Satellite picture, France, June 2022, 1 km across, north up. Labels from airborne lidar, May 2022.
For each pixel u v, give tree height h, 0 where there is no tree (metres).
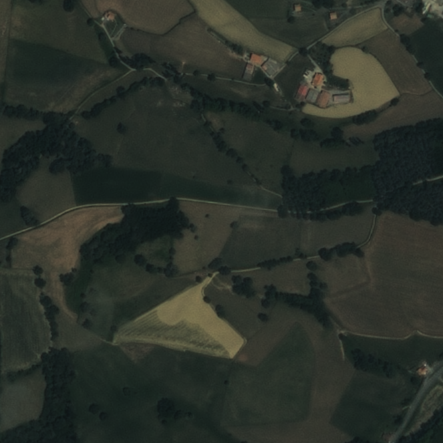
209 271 0
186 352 0
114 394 0
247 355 0
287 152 0
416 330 0
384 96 0
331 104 0
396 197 16
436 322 0
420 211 18
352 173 10
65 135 13
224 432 0
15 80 0
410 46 13
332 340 0
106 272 0
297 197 19
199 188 0
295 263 0
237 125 0
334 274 0
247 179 0
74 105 0
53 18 0
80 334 0
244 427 0
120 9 0
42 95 0
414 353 0
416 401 0
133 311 0
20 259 0
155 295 0
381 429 0
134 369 0
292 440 0
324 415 0
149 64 7
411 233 0
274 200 0
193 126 0
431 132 13
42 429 18
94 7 0
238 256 0
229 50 0
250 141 0
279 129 28
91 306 17
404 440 19
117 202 0
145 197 0
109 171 0
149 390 0
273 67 0
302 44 0
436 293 0
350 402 0
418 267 0
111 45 0
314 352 0
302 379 0
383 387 0
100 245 8
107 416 12
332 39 0
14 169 25
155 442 0
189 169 0
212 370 0
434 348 0
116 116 0
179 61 0
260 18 0
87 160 17
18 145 16
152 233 15
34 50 0
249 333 0
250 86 0
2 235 0
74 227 0
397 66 0
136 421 0
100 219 0
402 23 0
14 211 0
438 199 18
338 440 0
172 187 0
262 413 0
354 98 0
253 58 0
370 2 10
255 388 0
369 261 0
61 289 0
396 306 0
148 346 0
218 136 13
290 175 20
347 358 0
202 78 0
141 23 0
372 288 0
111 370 0
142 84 8
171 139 0
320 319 10
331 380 0
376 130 0
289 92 0
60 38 0
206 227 0
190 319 0
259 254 0
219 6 0
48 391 12
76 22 0
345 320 0
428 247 0
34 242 0
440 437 0
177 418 14
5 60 0
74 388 0
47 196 0
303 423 0
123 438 0
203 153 0
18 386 0
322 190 19
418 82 0
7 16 0
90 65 0
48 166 0
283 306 0
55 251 0
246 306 0
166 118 0
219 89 0
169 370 0
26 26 0
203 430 0
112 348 0
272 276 0
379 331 0
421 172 13
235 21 0
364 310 0
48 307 17
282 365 0
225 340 0
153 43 0
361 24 0
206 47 0
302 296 16
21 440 22
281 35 0
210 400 0
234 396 0
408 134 16
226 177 0
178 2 0
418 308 0
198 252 0
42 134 19
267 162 0
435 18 0
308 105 0
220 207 0
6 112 15
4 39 0
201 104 15
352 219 0
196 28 0
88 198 0
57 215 0
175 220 22
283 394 0
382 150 23
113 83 0
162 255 0
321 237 0
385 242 0
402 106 0
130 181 0
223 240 0
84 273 0
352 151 0
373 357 26
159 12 0
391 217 0
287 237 0
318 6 16
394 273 0
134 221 13
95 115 14
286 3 0
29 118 16
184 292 0
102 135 0
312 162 0
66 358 24
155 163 0
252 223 0
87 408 0
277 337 0
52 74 0
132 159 0
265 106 12
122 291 0
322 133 0
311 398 0
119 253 16
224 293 0
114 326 10
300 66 0
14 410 0
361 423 0
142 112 0
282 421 0
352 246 21
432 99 0
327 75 7
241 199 0
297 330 0
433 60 0
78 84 0
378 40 0
